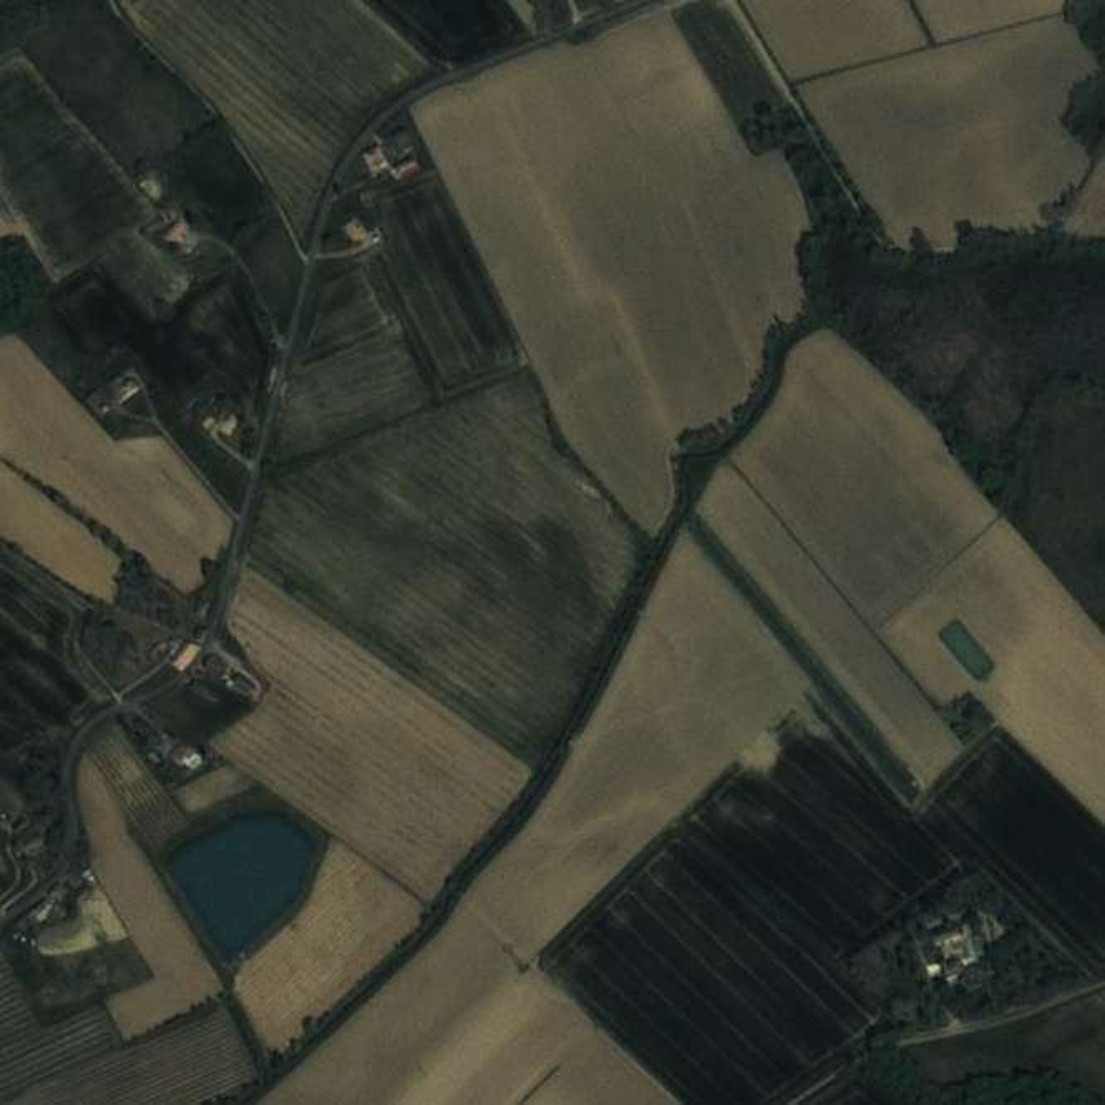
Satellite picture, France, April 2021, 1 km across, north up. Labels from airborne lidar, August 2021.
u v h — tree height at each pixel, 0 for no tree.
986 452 8
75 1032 7
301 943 0
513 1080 0
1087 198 0
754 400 9
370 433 0
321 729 0
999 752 0
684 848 0
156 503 0
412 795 0
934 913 19
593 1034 0
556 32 0
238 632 0
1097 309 10
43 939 0
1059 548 0
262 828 0
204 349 0
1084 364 10
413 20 0
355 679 0
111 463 0
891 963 12
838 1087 0
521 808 10
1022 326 9
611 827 0
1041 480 0
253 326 0
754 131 10
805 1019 0
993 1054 0
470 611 0
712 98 0
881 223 16
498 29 0
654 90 0
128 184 0
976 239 25
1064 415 0
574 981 0
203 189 0
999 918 17
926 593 0
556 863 0
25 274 27
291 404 0
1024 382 7
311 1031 13
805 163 15
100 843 0
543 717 0
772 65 0
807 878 0
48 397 0
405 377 0
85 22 0
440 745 0
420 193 0
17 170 0
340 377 0
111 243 0
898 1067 15
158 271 0
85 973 0
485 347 0
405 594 0
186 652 0
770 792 0
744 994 0
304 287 0
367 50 0
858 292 10
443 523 0
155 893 0
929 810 0
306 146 0
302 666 0
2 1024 7
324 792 0
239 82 0
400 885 0
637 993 0
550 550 0
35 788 21
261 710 0
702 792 0
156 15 0
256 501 0
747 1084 0
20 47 13
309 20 0
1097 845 0
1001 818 0
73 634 0
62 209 0
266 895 0
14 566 0
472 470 0
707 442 15
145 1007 0
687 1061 0
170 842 0
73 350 0
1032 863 0
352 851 0
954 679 0
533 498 0
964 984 16
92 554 0
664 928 0
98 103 0
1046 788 0
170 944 0
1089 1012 0
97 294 0
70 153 0
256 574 0
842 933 0
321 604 0
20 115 0
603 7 0
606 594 0
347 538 0
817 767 0
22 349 0
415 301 0
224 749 0
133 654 21
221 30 0
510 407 0
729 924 0
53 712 0
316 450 0
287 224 0
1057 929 0
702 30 0
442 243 0
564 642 0
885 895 0
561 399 0
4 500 0
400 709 0
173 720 0
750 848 0
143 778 0
